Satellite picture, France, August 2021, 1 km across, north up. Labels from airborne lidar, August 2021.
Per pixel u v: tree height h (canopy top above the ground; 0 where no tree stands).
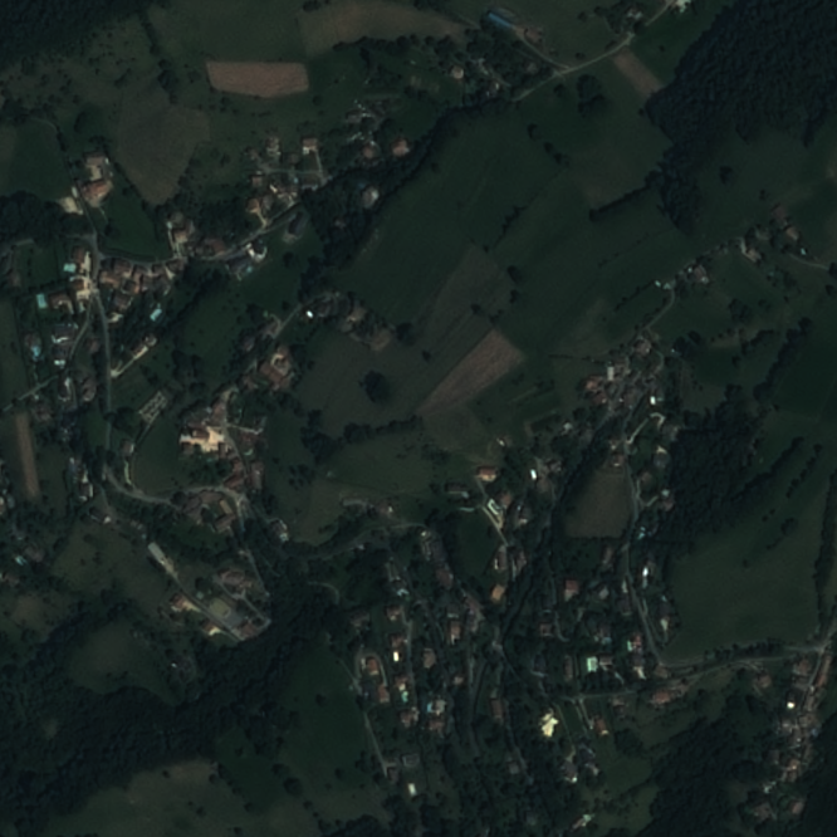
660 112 21
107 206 0
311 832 0
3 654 13
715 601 0
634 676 7
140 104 0
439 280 0
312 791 0
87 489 0
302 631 30
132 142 0
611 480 0
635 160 0
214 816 0
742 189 0
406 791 0
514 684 16
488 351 0
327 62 0
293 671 14
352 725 0
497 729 13
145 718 21
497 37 14
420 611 9
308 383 0
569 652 7
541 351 0
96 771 23
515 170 0
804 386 0
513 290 0
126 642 0
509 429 0
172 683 12
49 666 16
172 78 7
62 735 9
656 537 13
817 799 17
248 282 0
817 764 9
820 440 0
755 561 0
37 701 9
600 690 10
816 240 0
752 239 11
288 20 0
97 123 0
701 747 18
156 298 11
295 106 0
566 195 0
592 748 10
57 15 23
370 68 9
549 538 6
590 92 18
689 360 32
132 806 0
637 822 0
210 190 0
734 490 12
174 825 0
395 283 0
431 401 0
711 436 24
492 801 11
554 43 0
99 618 6
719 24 12
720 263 0
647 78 0
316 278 17
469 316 0
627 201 11
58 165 0
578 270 0
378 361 0
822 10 26
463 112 16
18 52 12
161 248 0
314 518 0
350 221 13
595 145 0
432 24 0
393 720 0
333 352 0
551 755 9
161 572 23
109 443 0
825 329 0
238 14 0
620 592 9
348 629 14
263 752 22
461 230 0
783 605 0
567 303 0
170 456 0
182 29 0
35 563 7
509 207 0
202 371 9
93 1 20
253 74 0
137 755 21
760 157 0
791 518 0
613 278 0
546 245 0
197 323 0
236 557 11
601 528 0
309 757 0
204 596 0
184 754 23
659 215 0
